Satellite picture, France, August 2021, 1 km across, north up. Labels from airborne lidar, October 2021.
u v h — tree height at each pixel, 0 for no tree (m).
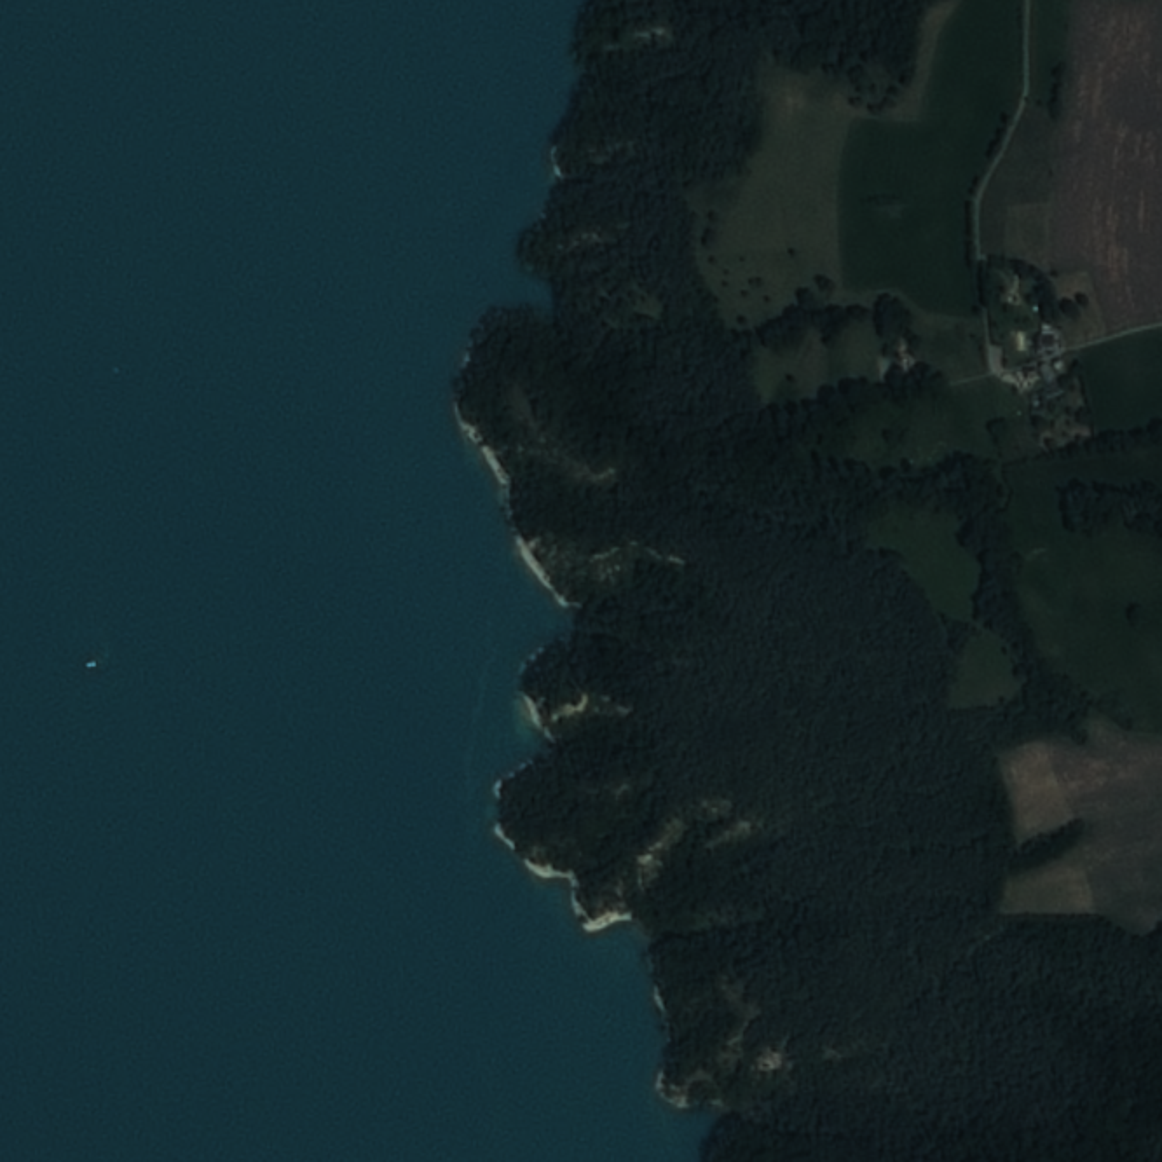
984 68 0
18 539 0
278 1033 0
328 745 0
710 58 15
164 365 0
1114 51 0
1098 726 0
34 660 0
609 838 10
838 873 9
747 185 0
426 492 0
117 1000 0
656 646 6
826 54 7
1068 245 0
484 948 0
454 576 0
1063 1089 13
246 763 0
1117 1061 20
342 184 0
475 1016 0
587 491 6
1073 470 0
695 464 16
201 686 0
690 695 6
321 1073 0
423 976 0
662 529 12
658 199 14
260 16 0
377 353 0
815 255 0
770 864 10
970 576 0
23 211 0
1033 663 15
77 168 0
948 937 9
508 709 0
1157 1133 19
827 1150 11
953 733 9
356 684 0
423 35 0
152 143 0
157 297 0
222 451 0
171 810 0
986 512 22
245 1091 0
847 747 10
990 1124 16
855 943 7
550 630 0
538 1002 0
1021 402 0
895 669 7
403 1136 0
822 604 14
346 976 0
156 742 0
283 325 0
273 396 0
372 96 0
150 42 0
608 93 16
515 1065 0
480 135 0
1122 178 0
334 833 0
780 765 9
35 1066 0
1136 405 0
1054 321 12
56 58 0
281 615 0
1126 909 0
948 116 0
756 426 20
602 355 17
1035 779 0
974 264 11
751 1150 15
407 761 0
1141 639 0
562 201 13
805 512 16
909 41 11
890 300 12
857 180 0
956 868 15
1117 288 0
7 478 0
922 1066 8
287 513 0
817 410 19
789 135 0
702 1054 7
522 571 0
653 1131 0
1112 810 0
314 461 0
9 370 0
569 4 0
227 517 0
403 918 0
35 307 0
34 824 0
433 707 0
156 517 0
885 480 16
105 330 0
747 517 14
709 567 12
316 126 0
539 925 0
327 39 0
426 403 0
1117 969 11
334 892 0
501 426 10
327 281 0
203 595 0
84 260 0
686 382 15
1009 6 0
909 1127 12
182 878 0
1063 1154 22
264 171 0
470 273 0
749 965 14
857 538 14
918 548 0
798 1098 7
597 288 8
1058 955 12
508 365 15
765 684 7
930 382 19
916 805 14
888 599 13
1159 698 0
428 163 0
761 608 7
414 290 0
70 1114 0
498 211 0
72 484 0
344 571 0
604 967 0
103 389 0
